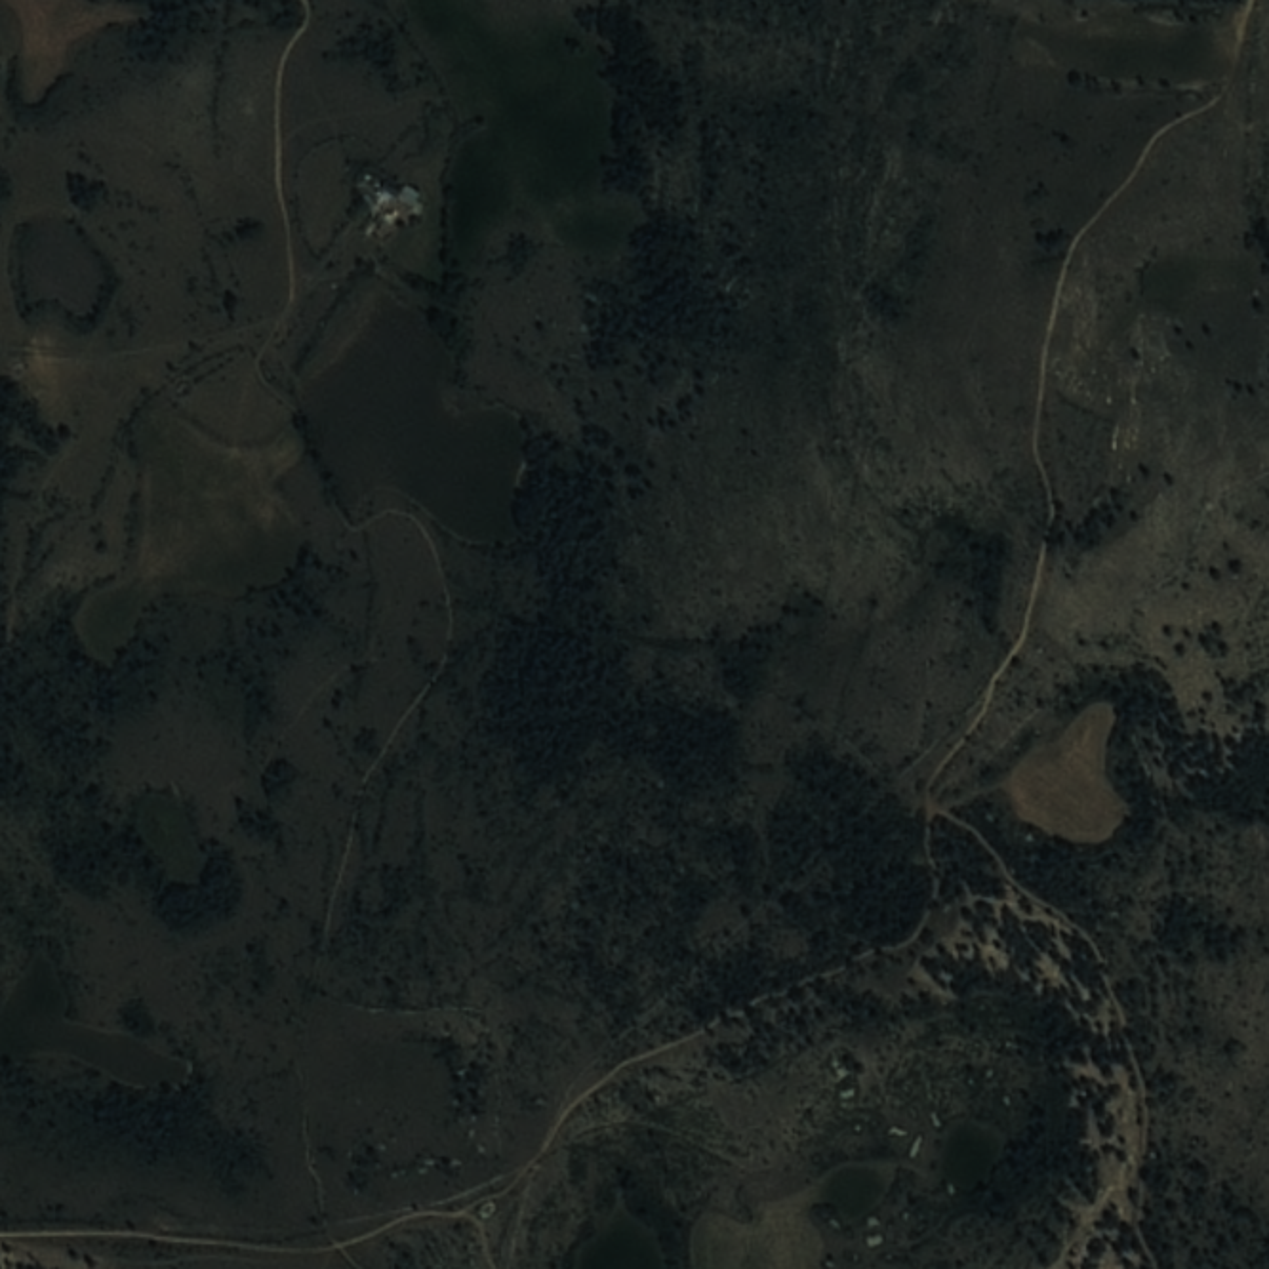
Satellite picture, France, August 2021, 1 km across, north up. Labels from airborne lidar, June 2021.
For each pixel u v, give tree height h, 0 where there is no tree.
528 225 0
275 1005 0
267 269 0
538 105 0
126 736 0
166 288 0
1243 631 0
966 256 0
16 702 10
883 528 0
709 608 0
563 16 0
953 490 0
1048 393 0
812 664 0
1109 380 0
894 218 0
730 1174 0
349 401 0
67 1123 0
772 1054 11
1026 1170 6
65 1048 0
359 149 0
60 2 0
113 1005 0
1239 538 0
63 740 9
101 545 7
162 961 0
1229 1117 0
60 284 0
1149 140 0
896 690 0
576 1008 0
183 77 0
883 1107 0
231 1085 0
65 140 0
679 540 0
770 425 0
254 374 0
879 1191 0
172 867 0
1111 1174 0
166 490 0
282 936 0
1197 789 16
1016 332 0
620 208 0
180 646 0
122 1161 0
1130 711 12
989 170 0
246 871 0
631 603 0
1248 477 0
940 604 0
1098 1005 10
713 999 7
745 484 0
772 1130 0
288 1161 0
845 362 0
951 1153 0
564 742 7
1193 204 0
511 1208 0
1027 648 0
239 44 0
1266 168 0
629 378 0
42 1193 0
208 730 0
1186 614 0
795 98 7
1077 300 0
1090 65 0
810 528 0
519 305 0
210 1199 0
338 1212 0
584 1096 0
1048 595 0
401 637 0
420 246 0
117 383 0
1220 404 0
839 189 0
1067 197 0
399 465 0
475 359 0
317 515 0
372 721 0
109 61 0
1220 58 0
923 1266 0
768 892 9
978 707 0
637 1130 0
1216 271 0
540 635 7
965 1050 0
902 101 0
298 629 0
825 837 8
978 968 6
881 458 0
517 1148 0
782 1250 0
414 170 0
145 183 0
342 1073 0
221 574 0
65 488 0
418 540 0
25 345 0
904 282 0
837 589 0
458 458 0
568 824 0
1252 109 0
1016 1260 0
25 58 0
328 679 0
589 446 9
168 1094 13
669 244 8
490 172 0
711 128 6
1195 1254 8
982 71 0
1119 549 0
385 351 0
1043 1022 6
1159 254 0
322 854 0
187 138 0
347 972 0
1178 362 0
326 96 0
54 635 10
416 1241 0
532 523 15
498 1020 0
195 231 0
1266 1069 0
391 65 8
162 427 0
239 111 0
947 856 7
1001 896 11
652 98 13
